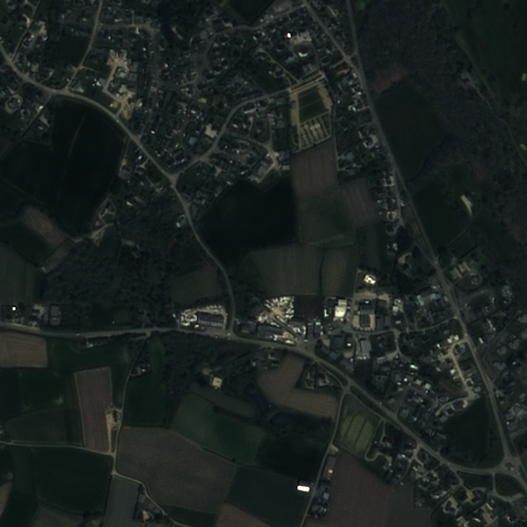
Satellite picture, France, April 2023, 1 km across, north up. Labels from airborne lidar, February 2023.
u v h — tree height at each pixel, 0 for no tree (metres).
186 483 0
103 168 0
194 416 0
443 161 21
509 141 9
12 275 0
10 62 0
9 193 0
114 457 0
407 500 0
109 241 0
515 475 0
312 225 0
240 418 0
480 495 9
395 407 0
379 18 21
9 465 0
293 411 0
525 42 0
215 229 0
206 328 0
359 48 13
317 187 0
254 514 0
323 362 0
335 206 0
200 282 0
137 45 0
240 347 0
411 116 0
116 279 11
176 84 0
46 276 9
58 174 0
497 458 0
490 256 17
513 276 15
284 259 0
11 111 0
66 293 20
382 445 0
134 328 0
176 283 0
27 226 0
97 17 0
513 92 0
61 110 0
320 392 0
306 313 0
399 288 18
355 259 0
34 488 0
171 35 17
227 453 0
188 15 16
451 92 17
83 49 0
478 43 0
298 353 0
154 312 9
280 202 0
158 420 0
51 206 0
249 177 7
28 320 0
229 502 0
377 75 16
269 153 0
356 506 0
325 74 9
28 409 0
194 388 0
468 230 14
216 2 0
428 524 0
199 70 0
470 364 0
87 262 7
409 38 26
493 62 0
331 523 0
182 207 0
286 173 0
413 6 29
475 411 0
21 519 0
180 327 0
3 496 0
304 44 0
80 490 0
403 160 0
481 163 21
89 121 0
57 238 0
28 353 0
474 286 0
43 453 0
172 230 6
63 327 7
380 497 0
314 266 0
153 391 0
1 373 0
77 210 0
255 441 0
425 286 0
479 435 0
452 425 0
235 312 0
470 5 13
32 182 0
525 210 21
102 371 0
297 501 0
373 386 8
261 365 0
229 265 0
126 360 0
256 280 0
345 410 0
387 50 18
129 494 0
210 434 0
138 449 0
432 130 0
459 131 23
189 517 0
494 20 0
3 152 0
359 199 0
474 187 0
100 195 0
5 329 0
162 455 0
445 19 20
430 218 0
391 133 0
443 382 0
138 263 9
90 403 0
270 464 0
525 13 0
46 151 0
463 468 0
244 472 0
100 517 12
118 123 0
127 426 0
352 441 0
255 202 0
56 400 0
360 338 0
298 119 0
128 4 5
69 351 0
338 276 0
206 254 6
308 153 0
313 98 0
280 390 0
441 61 22
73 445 0
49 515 0
